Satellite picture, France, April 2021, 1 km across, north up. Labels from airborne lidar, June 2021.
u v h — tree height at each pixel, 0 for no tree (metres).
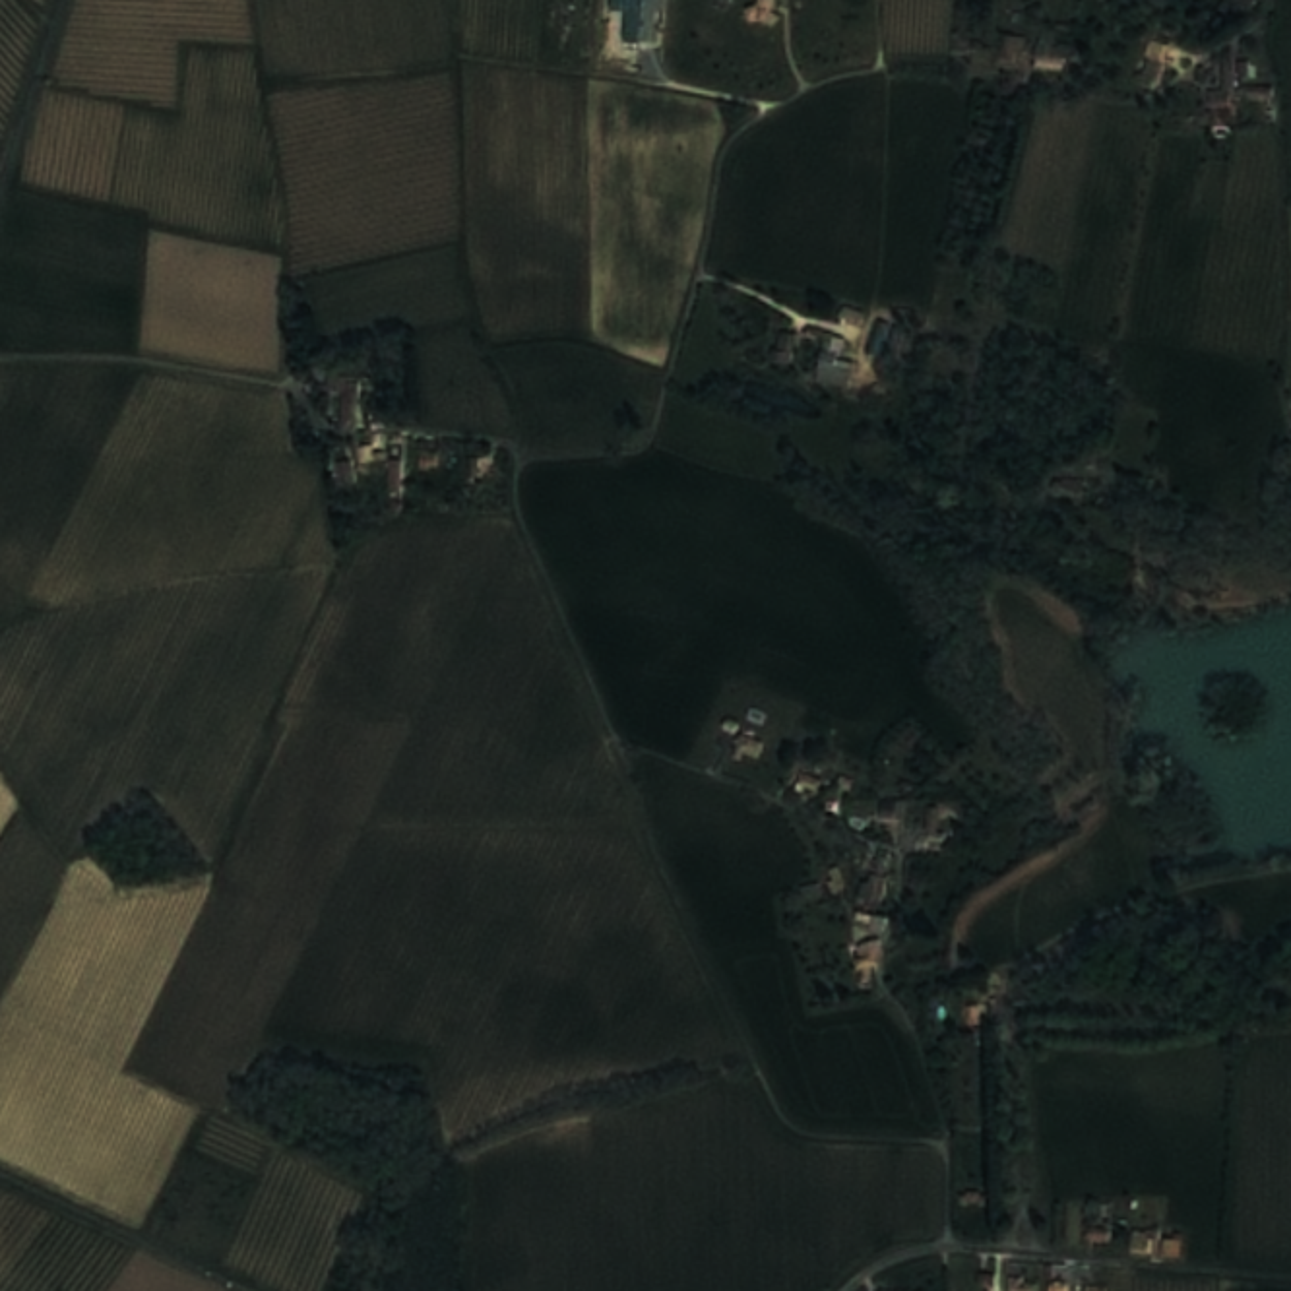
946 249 8
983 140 7
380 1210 15
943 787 8
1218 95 0
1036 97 15
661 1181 0
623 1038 0
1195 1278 0
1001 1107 18
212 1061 0
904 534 15
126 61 0
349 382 0
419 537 0
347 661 0
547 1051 0
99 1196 0
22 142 0
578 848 0
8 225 0
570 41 0
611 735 0
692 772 0
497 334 0
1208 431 0
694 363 0
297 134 0
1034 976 17
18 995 0
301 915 0
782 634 0
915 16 0
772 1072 0
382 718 0
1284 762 0
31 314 0
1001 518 23
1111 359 0
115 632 0
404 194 0
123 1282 0
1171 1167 0
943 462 33
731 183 0
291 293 15
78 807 0
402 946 0
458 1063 0
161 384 0
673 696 0
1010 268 17
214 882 0
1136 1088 0
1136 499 13
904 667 0
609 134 0
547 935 0
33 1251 0
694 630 0
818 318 7
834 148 0
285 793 0
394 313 0
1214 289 0
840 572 0
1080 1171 0
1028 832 8
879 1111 0
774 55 0
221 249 0
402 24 0
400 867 0
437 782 0
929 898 8
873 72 0
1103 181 0
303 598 0
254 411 0
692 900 0
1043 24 14
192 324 0
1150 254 0
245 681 0
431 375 0
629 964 0
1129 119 0
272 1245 0
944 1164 0
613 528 0
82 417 0
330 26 0
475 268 0
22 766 0
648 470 0
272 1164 0
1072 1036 12
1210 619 13
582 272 0
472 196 0
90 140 0
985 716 16
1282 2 0
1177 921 11
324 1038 0
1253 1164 0
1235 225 0
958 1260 0
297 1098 20
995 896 0
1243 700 8
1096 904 0
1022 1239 0
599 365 0
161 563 0
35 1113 0
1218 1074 0
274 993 0
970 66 10
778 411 8
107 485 0
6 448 0
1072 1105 0
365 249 0
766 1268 0
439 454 10
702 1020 0
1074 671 0
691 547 0
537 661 0
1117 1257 0
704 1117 0
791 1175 0
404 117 0
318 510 0
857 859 11
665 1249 0
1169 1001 22
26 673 0
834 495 18
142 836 19
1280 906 0
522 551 0
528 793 0
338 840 0
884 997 0
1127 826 0
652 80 0
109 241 0
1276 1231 0
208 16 0
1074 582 6
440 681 0
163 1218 0
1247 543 19
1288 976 16
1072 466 8
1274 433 0
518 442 0
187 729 0
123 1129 0
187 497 0
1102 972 17
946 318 0
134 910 0
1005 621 0
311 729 0
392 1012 0
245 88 0
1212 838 9
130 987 0
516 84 0
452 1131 0
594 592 0
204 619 0
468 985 0
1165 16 10
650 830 0
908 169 0
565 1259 0
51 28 0
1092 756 0
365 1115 12
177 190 0
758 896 0
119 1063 0
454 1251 18
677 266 0
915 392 16
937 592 19
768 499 0
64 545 0
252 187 0
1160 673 0
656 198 0
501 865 0
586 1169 0
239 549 0
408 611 0
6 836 0
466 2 0
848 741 0
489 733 0
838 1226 0
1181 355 0
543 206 0
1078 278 0
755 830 0
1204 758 0
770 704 0
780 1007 0
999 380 23
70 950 0
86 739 0
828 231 0
